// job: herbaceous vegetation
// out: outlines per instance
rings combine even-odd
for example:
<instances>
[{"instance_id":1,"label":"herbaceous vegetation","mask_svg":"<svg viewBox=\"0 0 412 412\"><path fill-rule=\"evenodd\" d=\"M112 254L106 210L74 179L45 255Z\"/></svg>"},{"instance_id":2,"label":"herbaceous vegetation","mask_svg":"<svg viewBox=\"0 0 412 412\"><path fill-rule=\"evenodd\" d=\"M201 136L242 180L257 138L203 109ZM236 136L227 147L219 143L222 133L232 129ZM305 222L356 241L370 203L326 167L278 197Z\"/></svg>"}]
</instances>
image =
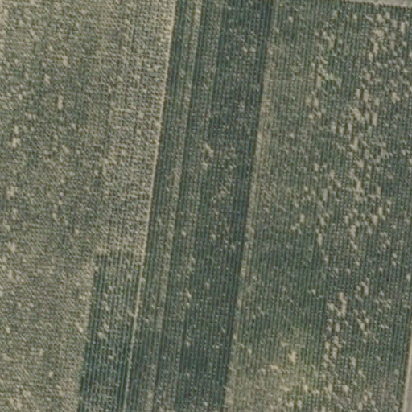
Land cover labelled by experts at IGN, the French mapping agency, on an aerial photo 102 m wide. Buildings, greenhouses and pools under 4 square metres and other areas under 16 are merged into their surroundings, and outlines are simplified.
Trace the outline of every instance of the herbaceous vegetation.
<instances>
[{"instance_id":1,"label":"herbaceous vegetation","mask_svg":"<svg viewBox=\"0 0 412 412\"><path fill-rule=\"evenodd\" d=\"M372 5L393 5L401 6L401 8L412 8L412 0L348 0L348 2L372 3Z\"/></svg>"},{"instance_id":2,"label":"herbaceous vegetation","mask_svg":"<svg viewBox=\"0 0 412 412\"><path fill-rule=\"evenodd\" d=\"M412 412L412 370L407 370L402 412Z\"/></svg>"}]
</instances>

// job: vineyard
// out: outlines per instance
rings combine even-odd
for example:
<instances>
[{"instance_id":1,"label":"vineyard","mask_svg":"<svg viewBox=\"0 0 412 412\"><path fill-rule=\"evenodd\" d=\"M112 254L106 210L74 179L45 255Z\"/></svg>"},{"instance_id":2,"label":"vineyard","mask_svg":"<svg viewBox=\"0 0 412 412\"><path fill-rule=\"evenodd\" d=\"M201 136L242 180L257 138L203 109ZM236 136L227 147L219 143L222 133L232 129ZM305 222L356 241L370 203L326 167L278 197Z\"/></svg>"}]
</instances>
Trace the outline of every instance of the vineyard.
<instances>
[{"instance_id":1,"label":"vineyard","mask_svg":"<svg viewBox=\"0 0 412 412\"><path fill-rule=\"evenodd\" d=\"M401 8L401 6L393 5L372 5L372 3L348 2L348 0L0 0L0 412L402 412L407 370L412 370L412 8Z\"/></svg>"}]
</instances>

